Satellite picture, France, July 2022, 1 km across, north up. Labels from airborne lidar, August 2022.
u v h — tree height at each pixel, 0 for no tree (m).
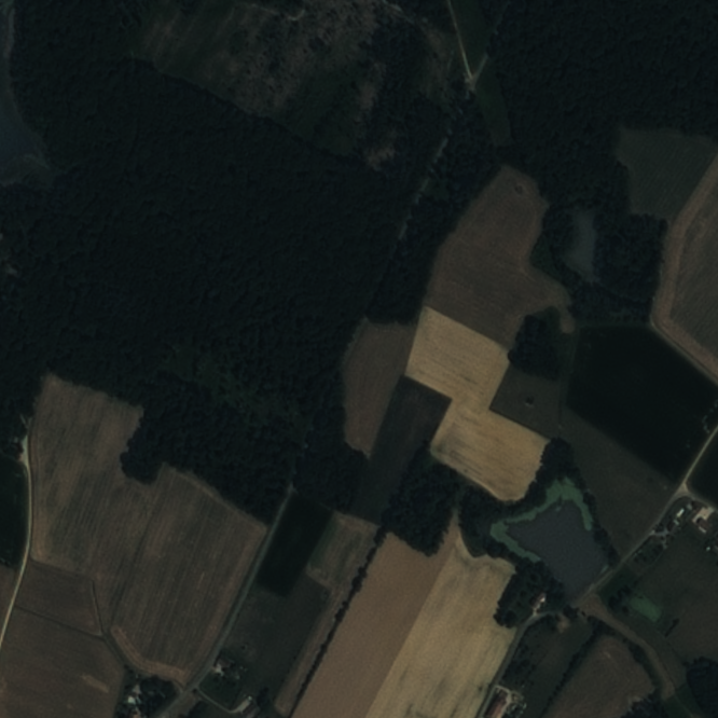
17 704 0
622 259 23
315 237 27
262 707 17
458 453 0
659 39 26
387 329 0
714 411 0
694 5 23
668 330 0
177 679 0
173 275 18
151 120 27
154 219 26
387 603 0
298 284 24
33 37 25
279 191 29
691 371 0
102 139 26
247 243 25
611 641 0
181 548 0
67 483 0
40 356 26
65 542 0
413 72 23
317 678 0
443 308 0
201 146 29
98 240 15
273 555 0
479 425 0
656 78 28
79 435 0
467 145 10
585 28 28
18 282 30
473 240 0
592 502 22
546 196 13
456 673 0
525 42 25
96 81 26
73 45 27
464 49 0
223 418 26
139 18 28
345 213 26
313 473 23
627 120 23
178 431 22
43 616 0
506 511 11
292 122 6
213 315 29
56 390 0
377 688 0
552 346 17
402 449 0
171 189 24
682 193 0
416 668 0
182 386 29
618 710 0
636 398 0
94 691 0
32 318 27
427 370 0
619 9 27
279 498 16
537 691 0
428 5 20
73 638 0
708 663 8
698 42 23
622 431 0
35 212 26
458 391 0
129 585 0
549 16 26
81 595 0
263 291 19
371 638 0
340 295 29
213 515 0
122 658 0
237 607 0
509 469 0
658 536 0
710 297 0
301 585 0
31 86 22
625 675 0
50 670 0
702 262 0
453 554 0
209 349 26
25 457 0
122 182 27
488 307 0
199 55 0
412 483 19
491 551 18
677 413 0
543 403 0
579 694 0
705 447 0
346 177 28
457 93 21
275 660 0
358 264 26
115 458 0
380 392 0
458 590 0
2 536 0
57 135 24
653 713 24
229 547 0
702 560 0
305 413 15
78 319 27
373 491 0
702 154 0
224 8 0
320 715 0
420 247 21
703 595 0
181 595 0
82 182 27
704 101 23
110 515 0
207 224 27
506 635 0
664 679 0
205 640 0
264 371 19
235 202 27
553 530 0
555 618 11
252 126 26
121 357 27
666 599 0
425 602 0
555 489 0
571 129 22
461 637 0
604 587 0
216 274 28
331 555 0
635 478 0
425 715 0
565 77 26
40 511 0
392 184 27
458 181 25
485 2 25
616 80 24
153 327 24
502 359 0
